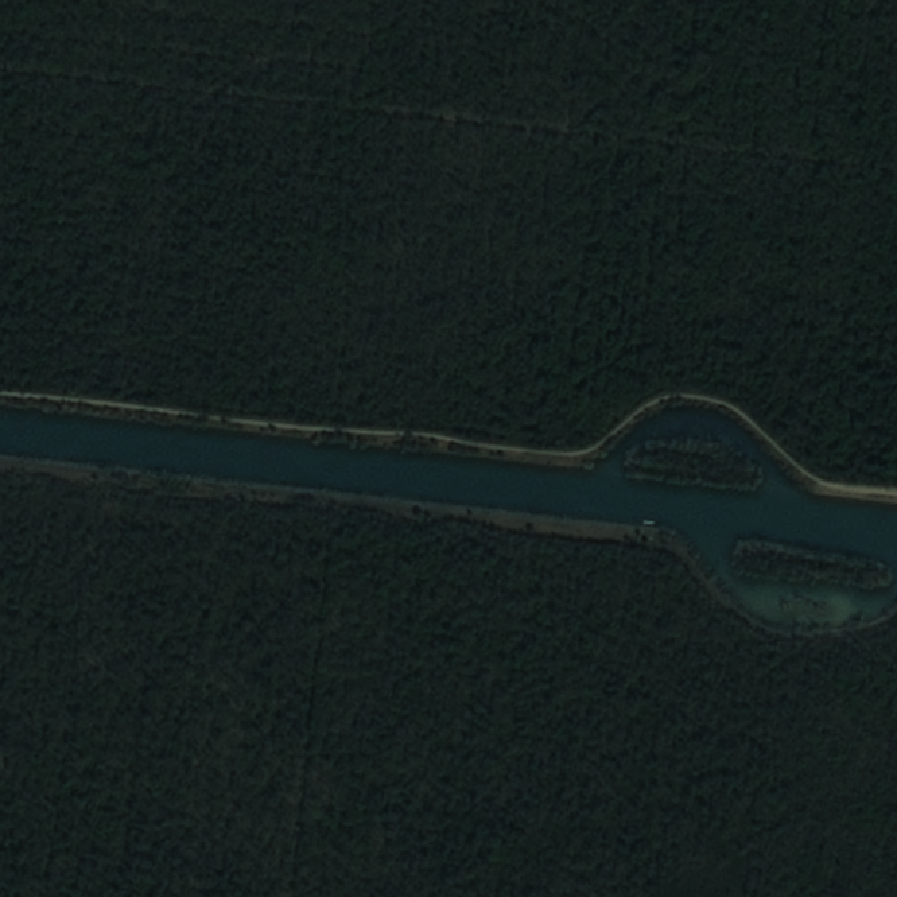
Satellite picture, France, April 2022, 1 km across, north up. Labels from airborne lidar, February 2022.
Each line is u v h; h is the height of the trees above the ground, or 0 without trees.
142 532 17
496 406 19
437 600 21
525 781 17
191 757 12
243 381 16
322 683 13
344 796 20
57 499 17
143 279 19
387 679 18
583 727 18
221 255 19
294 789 18
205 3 20
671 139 14
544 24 17
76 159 16
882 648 15
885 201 21
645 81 18
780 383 13
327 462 0
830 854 17
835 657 14
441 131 13
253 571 18
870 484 10
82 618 21
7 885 16
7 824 20
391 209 14
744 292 18
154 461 0
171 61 16
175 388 15
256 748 16
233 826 19
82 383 13
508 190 18
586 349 19
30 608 21
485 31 14
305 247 17
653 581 18
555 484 0
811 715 16
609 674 15
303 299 14
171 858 8
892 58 19
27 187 18
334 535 15
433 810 17
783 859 18
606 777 19
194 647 21
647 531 0
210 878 19
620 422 7
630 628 17
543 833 17
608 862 16
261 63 17
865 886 16
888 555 0
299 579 20
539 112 18
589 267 20
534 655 17
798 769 16
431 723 18
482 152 18
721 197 13
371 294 15
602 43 19
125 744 16
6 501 15
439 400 17
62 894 20
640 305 14
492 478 0
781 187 18
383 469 0
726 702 18
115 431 0
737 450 6
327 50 17
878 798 16
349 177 16
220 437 0
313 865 18
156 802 19
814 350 18
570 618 15
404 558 18
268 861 23
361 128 15
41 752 18
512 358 18
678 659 17
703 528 0
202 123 14
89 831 17
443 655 17
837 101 18
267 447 0
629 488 0
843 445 15
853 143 19
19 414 0
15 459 0
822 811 14
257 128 17
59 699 18
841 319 19
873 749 17
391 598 18
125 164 19
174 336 18
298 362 16
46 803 19
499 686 11
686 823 22
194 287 17
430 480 0
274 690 18
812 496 0
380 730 16
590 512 0
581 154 16
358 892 18
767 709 9
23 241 20
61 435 0
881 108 17
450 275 15
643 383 17
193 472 0
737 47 20
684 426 0
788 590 0
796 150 17
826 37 18
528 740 16
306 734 16
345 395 15
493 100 19
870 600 0
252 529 18
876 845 18
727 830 18
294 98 15
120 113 19
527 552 18
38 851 16
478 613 18
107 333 16
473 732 9
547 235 19
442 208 16
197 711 22
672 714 14
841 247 18
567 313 16
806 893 16
